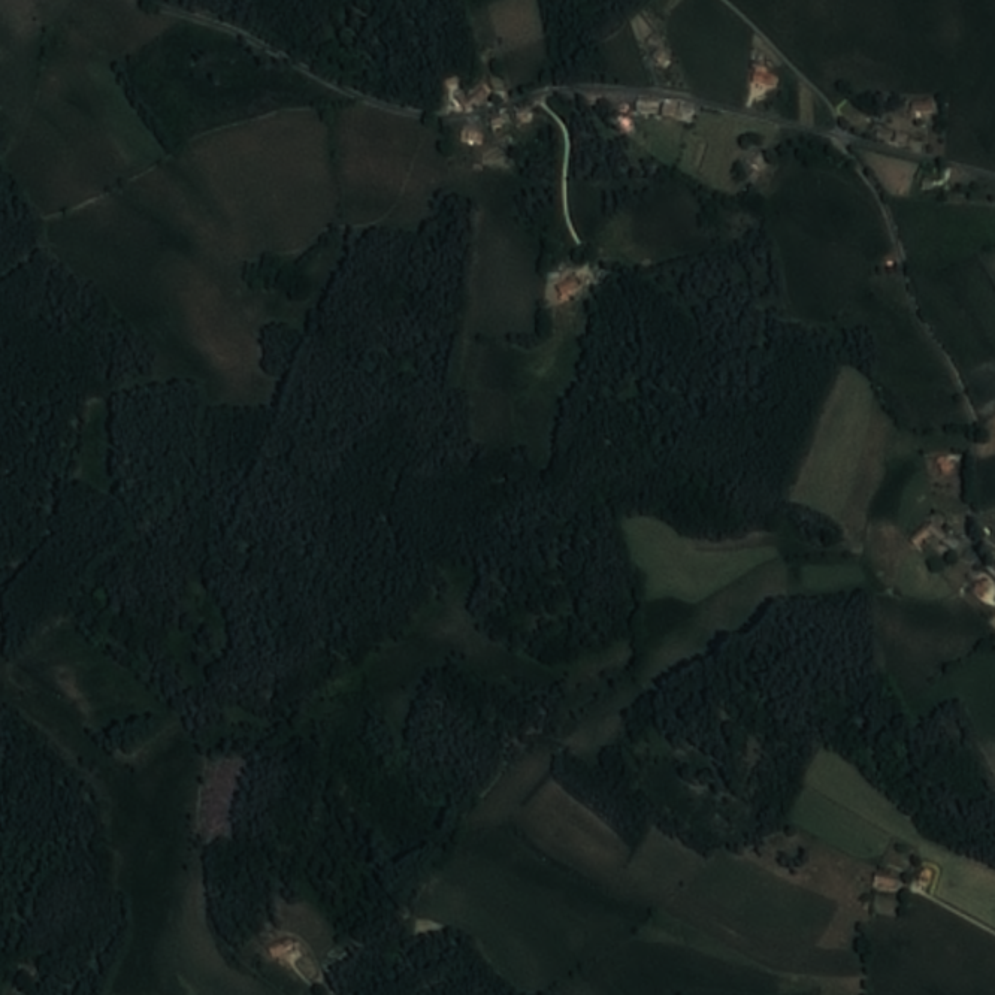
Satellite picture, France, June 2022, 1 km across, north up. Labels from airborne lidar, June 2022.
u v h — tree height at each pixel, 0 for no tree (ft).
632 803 66
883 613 0
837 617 68
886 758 54
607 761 50
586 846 0
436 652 0
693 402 87
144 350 49
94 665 0
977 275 0
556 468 63
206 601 0
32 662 0
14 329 59
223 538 69
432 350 66
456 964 76
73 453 43
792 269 0
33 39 0
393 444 57
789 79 0
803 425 79
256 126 0
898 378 0
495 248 0
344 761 29
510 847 0
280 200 0
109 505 71
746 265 43
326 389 67
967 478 55
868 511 0
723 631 0
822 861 0
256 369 0
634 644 39
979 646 36
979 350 0
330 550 85
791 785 33
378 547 102
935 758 43
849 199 0
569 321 0
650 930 0
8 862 66
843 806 0
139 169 0
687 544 0
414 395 69
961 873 0
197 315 0
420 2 42
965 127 0
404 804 23
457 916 0
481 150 0
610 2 66
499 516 95
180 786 0
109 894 68
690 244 0
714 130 0
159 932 0
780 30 0
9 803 66
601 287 48
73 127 0
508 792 0
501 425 0
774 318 75
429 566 70
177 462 93
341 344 73
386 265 77
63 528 79
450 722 62
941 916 0
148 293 0
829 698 38
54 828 68
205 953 0
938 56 0
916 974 0
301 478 72
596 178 40
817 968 0
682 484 47
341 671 69
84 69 0
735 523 73
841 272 0
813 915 0
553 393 0
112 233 0
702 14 0
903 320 0
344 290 70
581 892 0
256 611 67
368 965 68
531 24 0
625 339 54
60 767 74
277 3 59
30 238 70
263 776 78
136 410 86
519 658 0
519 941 0
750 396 67
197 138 0
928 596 0
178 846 0
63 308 62
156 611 68
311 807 55
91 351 64
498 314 0
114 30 0
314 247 32
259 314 0
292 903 48
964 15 0
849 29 0
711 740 83
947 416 0
